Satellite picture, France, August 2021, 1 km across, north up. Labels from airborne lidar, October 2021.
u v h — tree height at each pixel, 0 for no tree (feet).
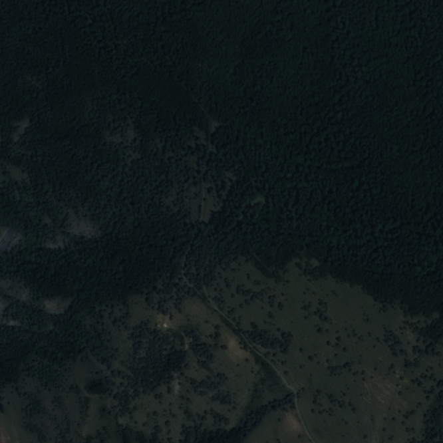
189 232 52
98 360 26
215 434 26
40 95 57
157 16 80
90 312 25
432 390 22
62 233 25
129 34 63
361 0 72
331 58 96
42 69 35
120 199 37
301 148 62
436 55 84
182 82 57
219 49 61
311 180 52
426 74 93
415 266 18
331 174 66
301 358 0
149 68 73
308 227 70
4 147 28
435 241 42
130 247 72
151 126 53
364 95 85
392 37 76
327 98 94
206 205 0
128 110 26
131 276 67
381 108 67
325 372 0
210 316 0
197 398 0
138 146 20
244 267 0
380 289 26
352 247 28
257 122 42
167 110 75
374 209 71
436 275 72
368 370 0
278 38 73
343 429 0
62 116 44
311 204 77
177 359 27
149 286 25
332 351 0
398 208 70
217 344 25
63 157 55
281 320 0
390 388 0
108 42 69
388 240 44
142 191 32
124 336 0
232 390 0
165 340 42
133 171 39
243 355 0
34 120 41
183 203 19
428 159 82
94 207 38
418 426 0
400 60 83
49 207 35
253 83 73
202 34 71
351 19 72
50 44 33
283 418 0
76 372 0
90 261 34
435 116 76
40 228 31
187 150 23
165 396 0
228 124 25
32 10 66
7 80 37
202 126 44
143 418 0
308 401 0
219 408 0
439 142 70
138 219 38
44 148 52
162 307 24
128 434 25
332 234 68
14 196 39
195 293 27
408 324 24
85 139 66
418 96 99
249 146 54
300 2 76
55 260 39
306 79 94
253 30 60
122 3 74
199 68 34
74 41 84
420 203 77
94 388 40
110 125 31
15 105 45
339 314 0
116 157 24
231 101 66
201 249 46
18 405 0
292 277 0
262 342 46
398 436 0
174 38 81
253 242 32
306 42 75
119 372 23
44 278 51
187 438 26
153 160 57
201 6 77
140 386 34
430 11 58
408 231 79
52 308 0
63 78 71
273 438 0
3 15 76
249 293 28
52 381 21
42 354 27
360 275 22
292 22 61
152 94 93
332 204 73
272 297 23
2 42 73
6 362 55
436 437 35
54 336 34
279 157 73
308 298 0
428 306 32
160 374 38
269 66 72
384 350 0
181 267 20
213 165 73
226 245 27
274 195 68
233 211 91
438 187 67
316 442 0
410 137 74
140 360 31
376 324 0
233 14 65
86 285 55
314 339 0
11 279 32
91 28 81
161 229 44
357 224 79
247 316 0
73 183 32
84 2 65
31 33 48
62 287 54
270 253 23
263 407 32
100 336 28
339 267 29
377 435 0
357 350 0
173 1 81
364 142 74
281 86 55
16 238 0
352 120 80
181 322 0
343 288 0
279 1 49
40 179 34
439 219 55
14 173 0
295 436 0
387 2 62
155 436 23
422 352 19
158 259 54
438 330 26
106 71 73
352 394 0
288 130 76
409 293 40
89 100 20
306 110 71
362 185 61
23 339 40
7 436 0
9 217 66
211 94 63
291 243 21
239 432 43
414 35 90
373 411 0
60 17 58
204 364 34
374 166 56
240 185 60
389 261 64
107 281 57
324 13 82
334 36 84
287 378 0
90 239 29
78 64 75
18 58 63
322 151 88
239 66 55
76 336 42
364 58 104
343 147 69
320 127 57
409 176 79
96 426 0
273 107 72
